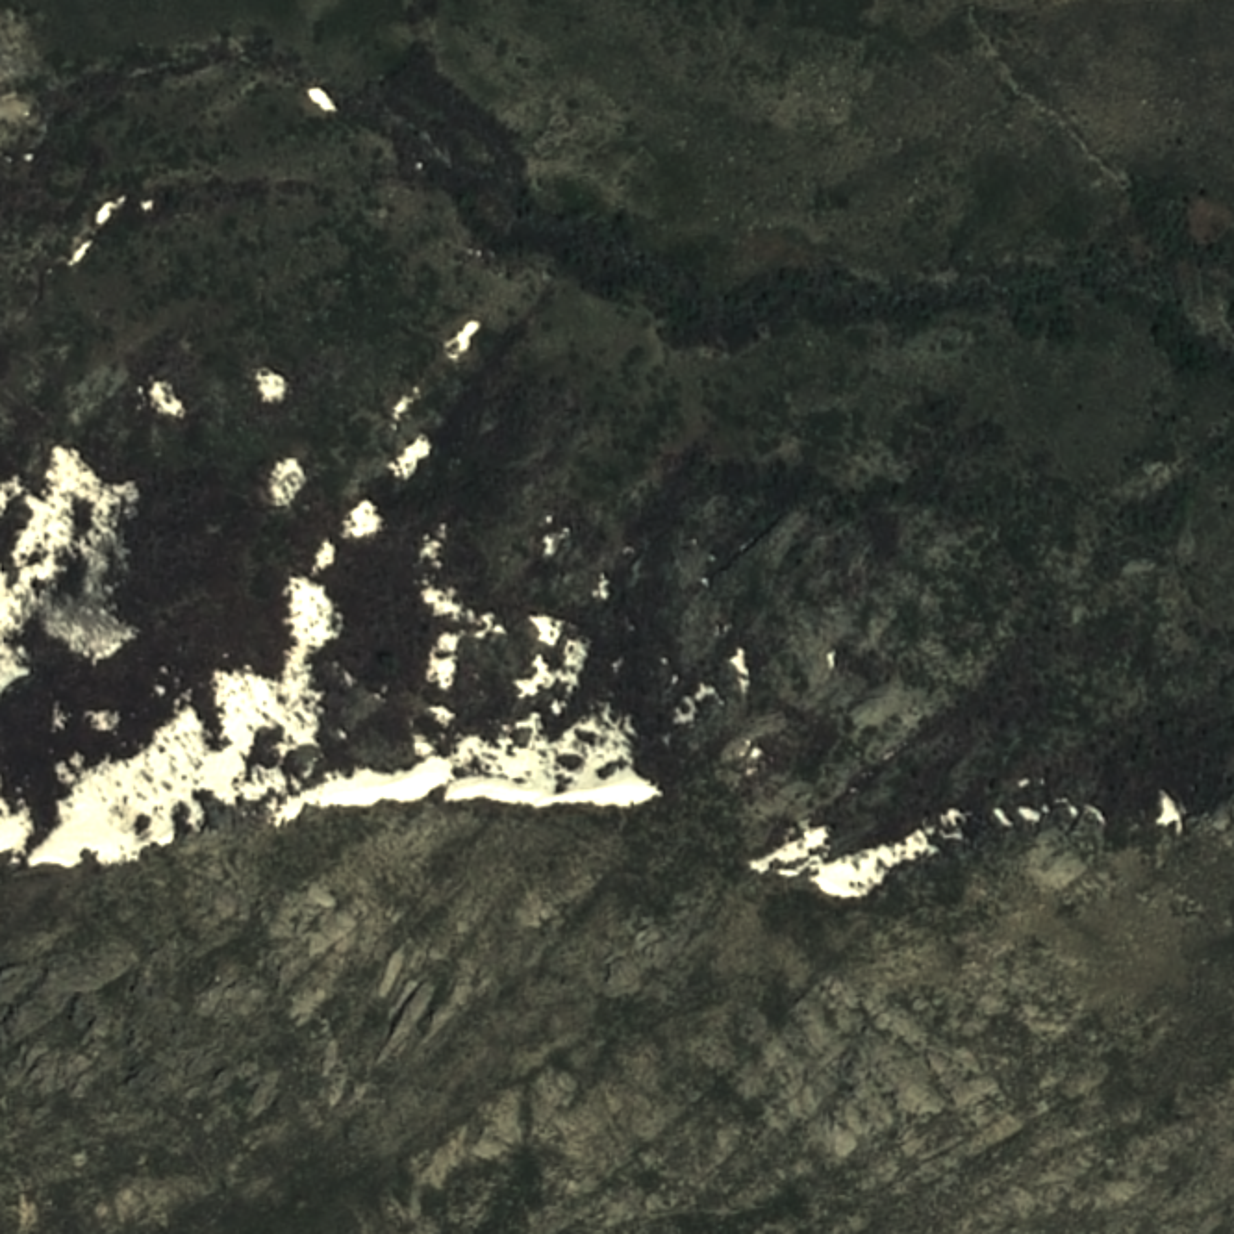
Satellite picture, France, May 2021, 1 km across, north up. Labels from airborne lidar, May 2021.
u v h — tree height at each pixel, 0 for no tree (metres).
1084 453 0
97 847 0
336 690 9
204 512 0
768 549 0
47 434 0
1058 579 0
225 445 0
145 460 0
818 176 0
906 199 0
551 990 0
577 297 0
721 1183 0
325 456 0
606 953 0
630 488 0
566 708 7
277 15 0
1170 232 8
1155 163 0
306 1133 0
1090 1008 0
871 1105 0
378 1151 0
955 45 0
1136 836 0
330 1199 0
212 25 0
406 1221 0
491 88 0
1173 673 8
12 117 0
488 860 0
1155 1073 0
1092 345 0
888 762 8
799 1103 0
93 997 0
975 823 8
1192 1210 0
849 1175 0
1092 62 0
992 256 0
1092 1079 0
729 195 0
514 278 8
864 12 0
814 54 0
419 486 0
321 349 0
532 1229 0
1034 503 8
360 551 0
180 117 0
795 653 0
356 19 0
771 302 10
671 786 0
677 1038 0
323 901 0
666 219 0
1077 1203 0
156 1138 0
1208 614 0
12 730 0
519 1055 0
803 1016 0
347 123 0
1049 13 0
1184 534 0
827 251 0
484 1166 0
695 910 0
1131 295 11
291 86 0
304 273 0
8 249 0
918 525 0
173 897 0
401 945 0
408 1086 0
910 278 11
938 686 0
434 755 0
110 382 0
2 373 0
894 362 0
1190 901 0
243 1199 0
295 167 0
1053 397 0
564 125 0
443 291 0
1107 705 0
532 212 9
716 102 0
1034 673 0
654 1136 0
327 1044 0
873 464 0
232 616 0
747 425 0
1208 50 0
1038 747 0
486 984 0
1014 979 0
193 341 0
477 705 0
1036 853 0
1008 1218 0
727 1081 0
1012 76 0
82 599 6
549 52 0
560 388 12
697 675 6
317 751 0
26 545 0
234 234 0
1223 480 0
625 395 0
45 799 0
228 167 0
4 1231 0
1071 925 0
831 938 0
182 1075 0
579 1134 0
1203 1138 0
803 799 0
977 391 0
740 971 0
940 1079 0
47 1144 0
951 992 0
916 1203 0
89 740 0
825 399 0
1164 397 0
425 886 0
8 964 0
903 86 0
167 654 0
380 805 0
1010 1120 0
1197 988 0
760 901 0
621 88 0
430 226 0
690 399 0
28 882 0
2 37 0
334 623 6
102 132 0
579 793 0
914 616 0
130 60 0
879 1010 0
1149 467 0
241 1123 0
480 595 6
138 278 0
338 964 0
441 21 0
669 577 0
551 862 0
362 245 0
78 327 0
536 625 0
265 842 0
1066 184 0
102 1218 0
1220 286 0
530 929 0
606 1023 0
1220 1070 0
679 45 0
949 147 0
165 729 0
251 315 0
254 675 0
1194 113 0
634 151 0
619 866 0
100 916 0
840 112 0
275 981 0
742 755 0
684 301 12
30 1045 0
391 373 0
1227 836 0
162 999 0
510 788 0
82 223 0
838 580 8
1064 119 0
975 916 0
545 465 10
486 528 0
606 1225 0
